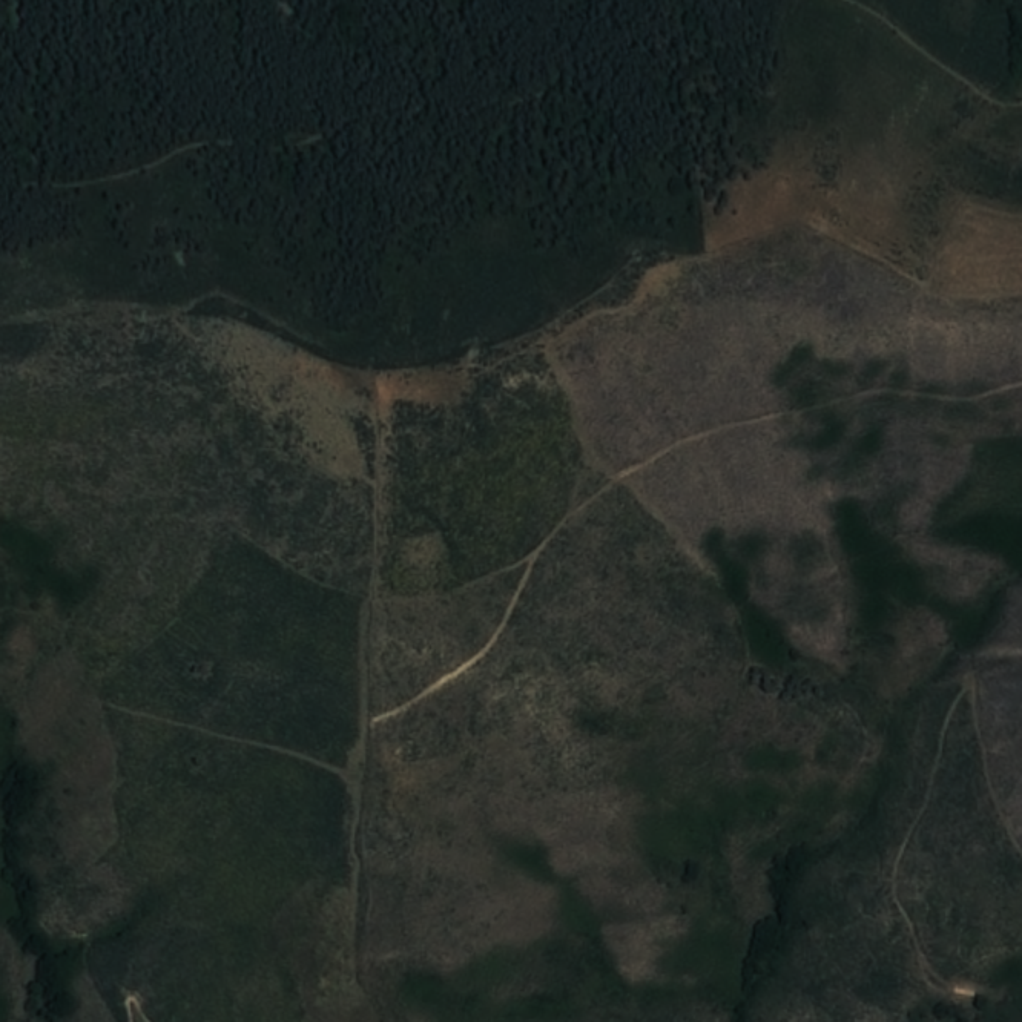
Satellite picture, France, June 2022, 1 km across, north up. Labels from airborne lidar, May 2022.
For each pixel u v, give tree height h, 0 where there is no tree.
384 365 0
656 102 19
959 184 0
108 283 0
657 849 0
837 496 0
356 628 0
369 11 11
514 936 0
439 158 15
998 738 0
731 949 0
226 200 8
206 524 0
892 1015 0
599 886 0
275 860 0
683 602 0
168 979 0
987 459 0
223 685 0
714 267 0
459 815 0
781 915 12
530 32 23
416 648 0
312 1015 0
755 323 0
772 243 0
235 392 0
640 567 0
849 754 0
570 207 10
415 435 0
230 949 0
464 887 0
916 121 0
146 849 0
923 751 0
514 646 0
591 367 0
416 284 0
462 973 0
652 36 15
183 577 0
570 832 0
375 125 11
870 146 0
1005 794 0
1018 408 0
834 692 0
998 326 0
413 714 0
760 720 0
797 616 0
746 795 0
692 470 0
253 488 0
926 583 0
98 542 0
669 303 0
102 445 0
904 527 0
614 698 0
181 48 13
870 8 0
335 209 8
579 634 0
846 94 0
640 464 0
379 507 0
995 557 0
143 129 11
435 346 0
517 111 14
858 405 0
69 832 0
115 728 0
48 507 0
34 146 7
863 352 0
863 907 0
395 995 0
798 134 0
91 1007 0
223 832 0
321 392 0
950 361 0
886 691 0
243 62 15
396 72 17
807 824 0
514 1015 0
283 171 9
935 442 0
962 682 0
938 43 0
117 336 0
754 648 0
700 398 0
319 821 0
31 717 0
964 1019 10
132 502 0
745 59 11
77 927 0
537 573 0
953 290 0
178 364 0
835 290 0
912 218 0
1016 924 0
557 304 0
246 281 0
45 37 8
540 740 0
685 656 0
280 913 0
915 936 0
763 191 0
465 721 0
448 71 15
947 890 0
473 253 0
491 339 0
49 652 0
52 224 7
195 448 0
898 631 0
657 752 0
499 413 0
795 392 0
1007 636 0
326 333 0
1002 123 0
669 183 7
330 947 0
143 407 0
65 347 0
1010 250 0
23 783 14
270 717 0
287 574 0
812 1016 0
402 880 0
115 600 0
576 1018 0
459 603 0
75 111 7
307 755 0
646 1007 0
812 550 0
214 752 0
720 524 0
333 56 12
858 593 0
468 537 0
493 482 0
